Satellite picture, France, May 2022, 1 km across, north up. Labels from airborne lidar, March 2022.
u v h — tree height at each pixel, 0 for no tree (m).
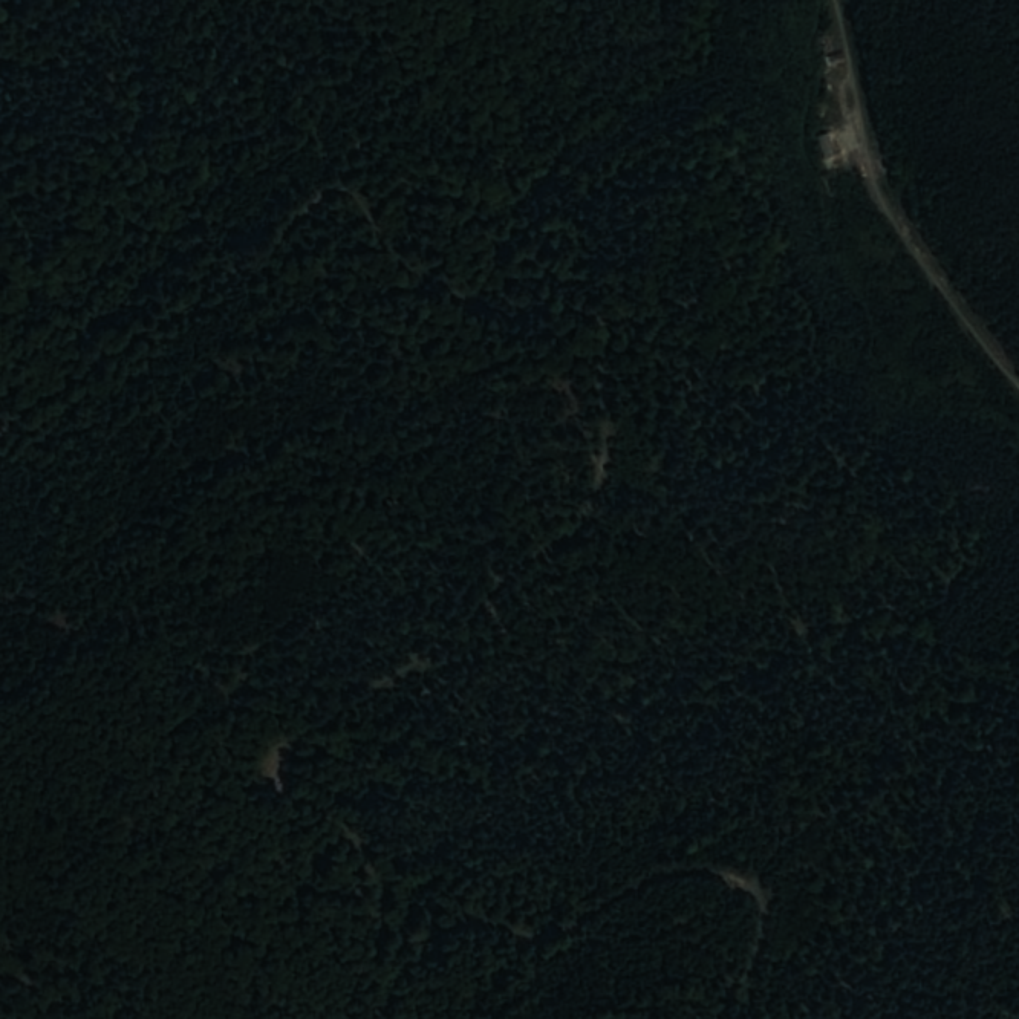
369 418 24
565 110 21
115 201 33
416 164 31
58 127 41
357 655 35
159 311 31
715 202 28
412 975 25
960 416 14
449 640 33
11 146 34
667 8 29
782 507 24
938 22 16
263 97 16
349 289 21
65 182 21
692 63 21
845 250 9
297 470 22
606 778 34
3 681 16
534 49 27
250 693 34
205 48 30
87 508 12
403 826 31
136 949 25
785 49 18
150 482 13
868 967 26
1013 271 21
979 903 29
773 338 24
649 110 25
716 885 17
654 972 15
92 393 23
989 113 18
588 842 13
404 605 33
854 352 9
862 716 32
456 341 33
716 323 20
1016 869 24
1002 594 25
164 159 28
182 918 26
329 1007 24
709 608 25
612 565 25
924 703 12
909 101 20
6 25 33
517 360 29
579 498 15
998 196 22
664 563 23
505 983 29
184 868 23
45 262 28
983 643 16
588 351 20
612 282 22
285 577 16
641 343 30
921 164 16
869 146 0
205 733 27
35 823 18
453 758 36
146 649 25
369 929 33
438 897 27
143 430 14
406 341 28
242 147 29
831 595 28
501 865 31
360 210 11
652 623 28
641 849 11
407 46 28
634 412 6
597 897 8
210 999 24
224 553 19
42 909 14
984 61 14
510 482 17
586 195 13
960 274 14
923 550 26
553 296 30
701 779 33
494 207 13
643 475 7
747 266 26
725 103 14
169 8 28
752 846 10
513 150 24
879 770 33
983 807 14
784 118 13
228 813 34
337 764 35
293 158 13
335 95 30
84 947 16
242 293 14
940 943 26
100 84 30
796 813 11
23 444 25
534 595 29
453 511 17
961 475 24
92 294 34
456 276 29
